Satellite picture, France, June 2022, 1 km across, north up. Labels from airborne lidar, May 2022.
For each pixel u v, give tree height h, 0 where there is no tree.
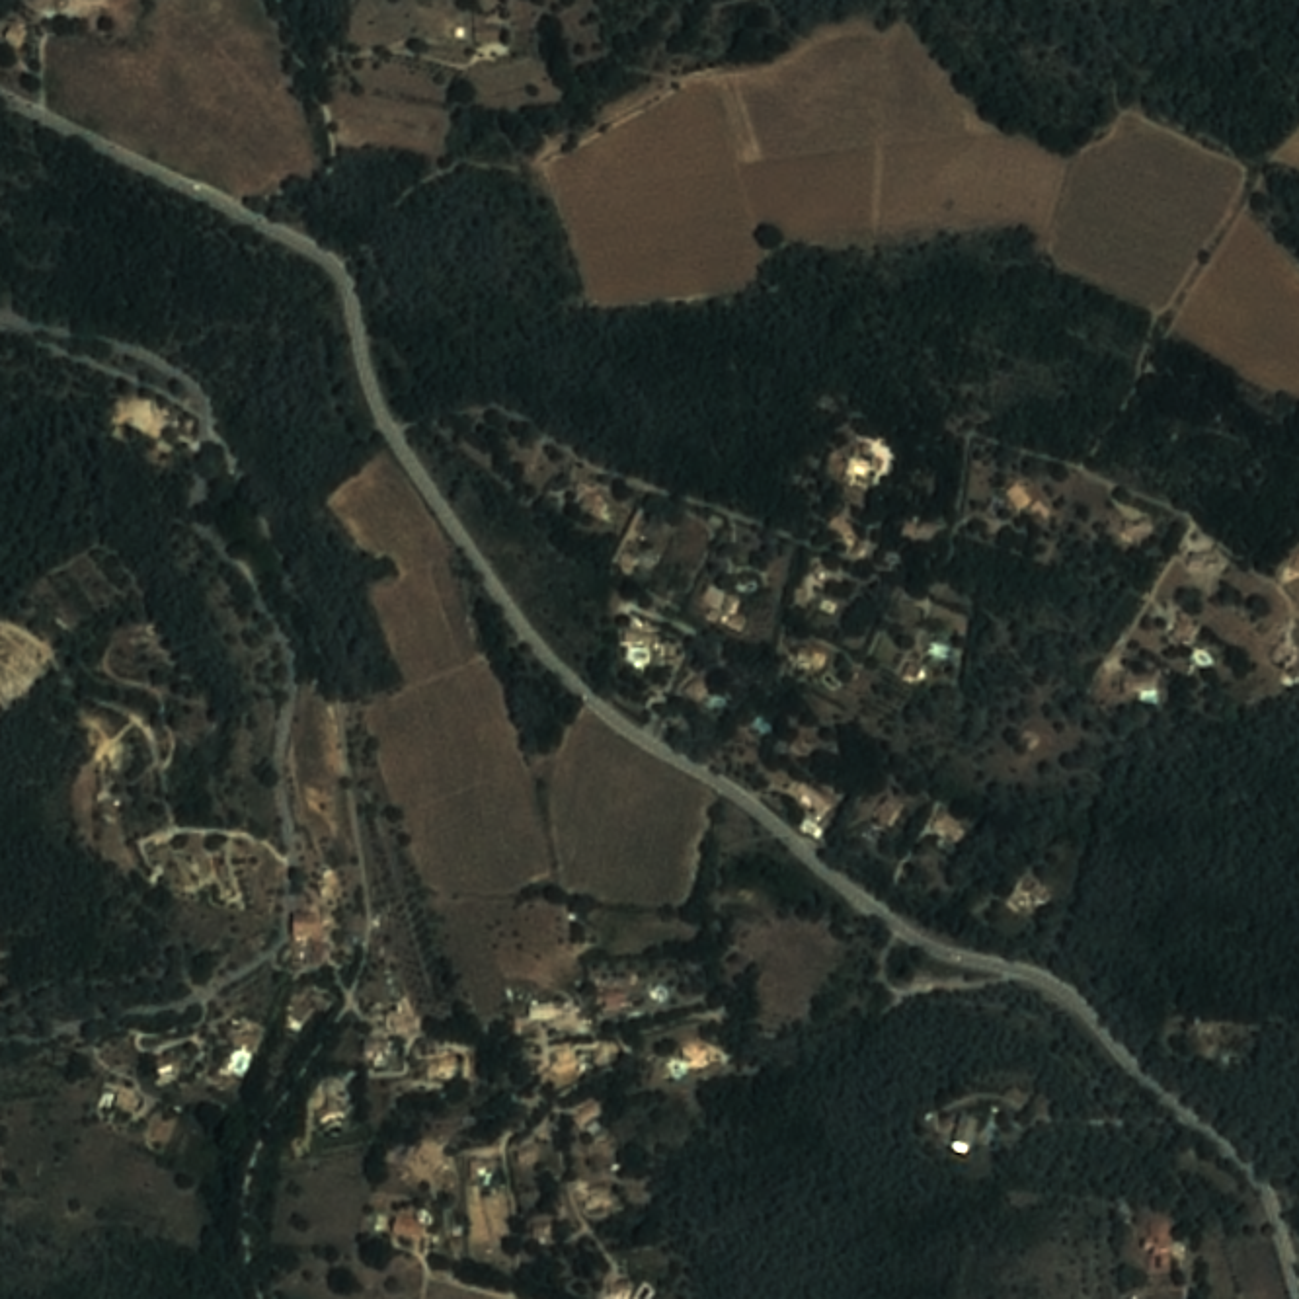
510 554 0
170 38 0
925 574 13
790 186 0
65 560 7
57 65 0
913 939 0
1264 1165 16
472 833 0
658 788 0
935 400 11
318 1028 8
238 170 0
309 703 0
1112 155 0
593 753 0
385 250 18
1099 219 0
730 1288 14
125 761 0
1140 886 17
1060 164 0
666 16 14
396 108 0
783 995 0
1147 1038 21
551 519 10
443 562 0
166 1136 0
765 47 7
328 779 0
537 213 15
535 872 0
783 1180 9
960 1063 9
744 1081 11
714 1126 7
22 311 12
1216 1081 16
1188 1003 15
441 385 11
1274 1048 16
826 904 12
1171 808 18
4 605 10
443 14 0
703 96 0
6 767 9
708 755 18
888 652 0
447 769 0
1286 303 0
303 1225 10
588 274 0
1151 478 9
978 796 6
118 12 0
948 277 12
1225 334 0
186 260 9
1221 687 9
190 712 11
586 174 0
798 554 6
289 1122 9
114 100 0
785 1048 18
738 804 0
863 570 13
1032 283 11
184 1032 14
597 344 14
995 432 8
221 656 11
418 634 0
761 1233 15
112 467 10
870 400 9
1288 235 12
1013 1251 16
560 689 10
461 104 13
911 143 0
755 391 10
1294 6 6
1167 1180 18
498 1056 14
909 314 6
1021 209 0
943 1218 10
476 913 0
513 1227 12
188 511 13
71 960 13
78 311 6
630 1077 16
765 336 10
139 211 11
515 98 0
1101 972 12
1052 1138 12
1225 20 14
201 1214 0
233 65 0
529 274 16
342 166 18
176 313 10
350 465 17
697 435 13
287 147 0
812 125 0
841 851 18
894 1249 13
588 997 9
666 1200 11
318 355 18
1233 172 0
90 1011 23
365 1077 11
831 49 0
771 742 12
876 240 0
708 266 0
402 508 0
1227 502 11
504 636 9
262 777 8
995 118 13
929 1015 15
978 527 11
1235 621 0
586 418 12
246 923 0
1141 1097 6
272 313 8
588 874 0
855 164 0
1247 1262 0
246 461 9
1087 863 10
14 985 10
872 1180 16
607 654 10
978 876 17
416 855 0
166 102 0
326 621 20
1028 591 8
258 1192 6
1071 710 19
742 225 0
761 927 0
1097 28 15
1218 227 0
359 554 7
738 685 18
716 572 16
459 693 0
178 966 16
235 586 9
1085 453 9
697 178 0
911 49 0
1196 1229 11
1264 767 14
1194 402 7
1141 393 10
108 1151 0
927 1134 14
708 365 12
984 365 7
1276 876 19
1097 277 0
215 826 6
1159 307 0
